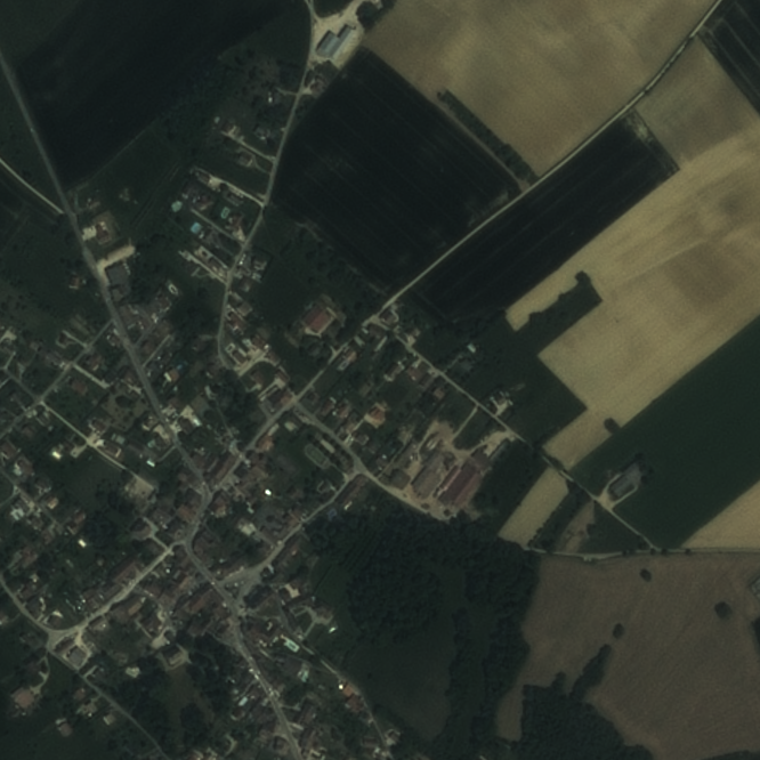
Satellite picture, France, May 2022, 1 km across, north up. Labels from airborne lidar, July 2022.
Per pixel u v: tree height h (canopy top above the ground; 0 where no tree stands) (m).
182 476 0
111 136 0
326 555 25
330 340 11
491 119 0
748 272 0
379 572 26
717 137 0
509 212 0
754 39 0
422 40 0
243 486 0
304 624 0
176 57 0
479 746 15
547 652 0
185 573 0
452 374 6
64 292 0
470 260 0
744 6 0
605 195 0
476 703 0
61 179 0
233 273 0
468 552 28
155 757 0
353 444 0
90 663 7
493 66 0
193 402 0
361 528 20
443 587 22
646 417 0
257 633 0
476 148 0
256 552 13
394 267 0
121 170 0
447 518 0
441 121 0
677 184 0
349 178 0
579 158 0
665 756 0
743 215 0
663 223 0
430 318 0
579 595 0
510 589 27
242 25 0
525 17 0
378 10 12
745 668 0
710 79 0
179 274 0
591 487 0
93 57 0
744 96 0
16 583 14
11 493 0
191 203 0
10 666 0
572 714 9
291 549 0
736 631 0
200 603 0
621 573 0
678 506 0
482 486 0
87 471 0
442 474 0
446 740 6
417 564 24
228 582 0
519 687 0
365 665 0
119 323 0
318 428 0
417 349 0
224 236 8
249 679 0
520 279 0
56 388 0
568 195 0
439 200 0
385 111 0
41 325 0
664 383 0
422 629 21
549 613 0
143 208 0
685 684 0
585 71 0
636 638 0
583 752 17
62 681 0
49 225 0
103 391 0
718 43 0
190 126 21
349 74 0
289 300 0
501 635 14
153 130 0
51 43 0
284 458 0
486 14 0
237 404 10
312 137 0
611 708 0
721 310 0
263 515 0
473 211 0
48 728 0
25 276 0
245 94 10
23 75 0
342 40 0
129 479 13
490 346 0
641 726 0
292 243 6
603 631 0
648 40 0
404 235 0
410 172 0
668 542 0
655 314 0
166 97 0
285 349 0
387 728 0
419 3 0
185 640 23
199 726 28
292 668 0
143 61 0
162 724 25
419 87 0
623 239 0
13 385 8
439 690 0
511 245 0
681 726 0
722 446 0
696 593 0
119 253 0
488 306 0
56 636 0
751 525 0
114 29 0
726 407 0
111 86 0
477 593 30
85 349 0
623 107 0
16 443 11
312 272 0
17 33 0
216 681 15
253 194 0
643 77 0
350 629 0
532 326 6
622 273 0
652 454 0
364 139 0
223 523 8
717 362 0
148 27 0
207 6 0
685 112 0
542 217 0
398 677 0
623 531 0
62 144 0
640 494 0
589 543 0
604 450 0
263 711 0
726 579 0
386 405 0
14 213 0
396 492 0
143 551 20
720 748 0
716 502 0
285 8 0
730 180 0
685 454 0
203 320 8
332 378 0
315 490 6
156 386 11
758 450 0
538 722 10
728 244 0
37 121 0
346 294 0
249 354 0
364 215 0
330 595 0
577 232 0
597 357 0
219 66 21
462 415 0
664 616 0
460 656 11
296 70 16
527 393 0
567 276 0
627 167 0
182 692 0
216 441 0
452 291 0
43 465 11
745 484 0
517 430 0
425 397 11
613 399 0
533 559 23
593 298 0
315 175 0
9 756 0
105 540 19
